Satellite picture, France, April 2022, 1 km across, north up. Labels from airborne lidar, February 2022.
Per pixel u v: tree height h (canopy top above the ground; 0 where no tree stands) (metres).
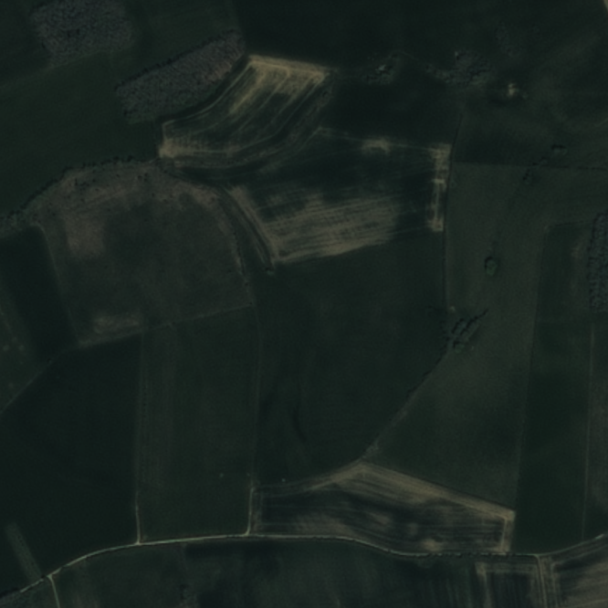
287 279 0
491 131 0
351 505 0
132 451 0
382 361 0
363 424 0
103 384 0
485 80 18
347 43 0
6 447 0
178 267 0
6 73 0
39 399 0
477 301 0
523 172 0
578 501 0
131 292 0
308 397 0
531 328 0
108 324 0
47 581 10
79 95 0
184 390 0
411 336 0
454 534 0
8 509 0
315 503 0
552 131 0
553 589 0
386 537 0
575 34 0
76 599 0
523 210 0
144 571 0
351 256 0
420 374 0
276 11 0
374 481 0
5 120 0
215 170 0
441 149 0
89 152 0
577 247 0
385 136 0
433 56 0
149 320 0
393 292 0
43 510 0
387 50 0
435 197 0
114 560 0
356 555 0
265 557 0
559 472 0
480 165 0
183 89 21
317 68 0
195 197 0
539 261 0
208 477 0
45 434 0
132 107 21
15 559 0
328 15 0
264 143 0
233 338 0
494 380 0
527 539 0
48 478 0
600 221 12
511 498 0
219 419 0
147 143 0
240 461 0
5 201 0
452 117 0
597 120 0
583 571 0
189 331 0
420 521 0
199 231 0
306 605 0
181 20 0
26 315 0
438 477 0
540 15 0
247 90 0
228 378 0
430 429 0
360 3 0
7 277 0
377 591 0
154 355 0
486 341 0
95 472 0
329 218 0
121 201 0
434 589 0
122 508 0
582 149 0
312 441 0
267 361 0
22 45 0
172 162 0
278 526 0
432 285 0
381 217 0
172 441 0
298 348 0
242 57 16
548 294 0
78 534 0
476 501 0
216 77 20
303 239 0
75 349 0
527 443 0
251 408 0
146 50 0
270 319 0
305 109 0
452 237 0
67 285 0
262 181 0
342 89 0
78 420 0
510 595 0
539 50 0
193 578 0
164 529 0
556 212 0
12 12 0
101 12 21
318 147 0
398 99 0
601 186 0
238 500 0
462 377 0
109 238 0
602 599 0
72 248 0
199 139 0
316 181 0
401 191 0
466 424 0
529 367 0
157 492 0
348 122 0
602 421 0
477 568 0
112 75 0
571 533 0
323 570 0
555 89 0
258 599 0
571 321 0
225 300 0
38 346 0
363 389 0
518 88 0
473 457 0
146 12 0
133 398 0
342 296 0
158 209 0
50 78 0
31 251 0
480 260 0
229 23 0
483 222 0
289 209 0
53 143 0
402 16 0
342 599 0
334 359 0
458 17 0
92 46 14
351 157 0
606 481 0
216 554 0
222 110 0
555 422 0
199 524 0
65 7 19
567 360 0
